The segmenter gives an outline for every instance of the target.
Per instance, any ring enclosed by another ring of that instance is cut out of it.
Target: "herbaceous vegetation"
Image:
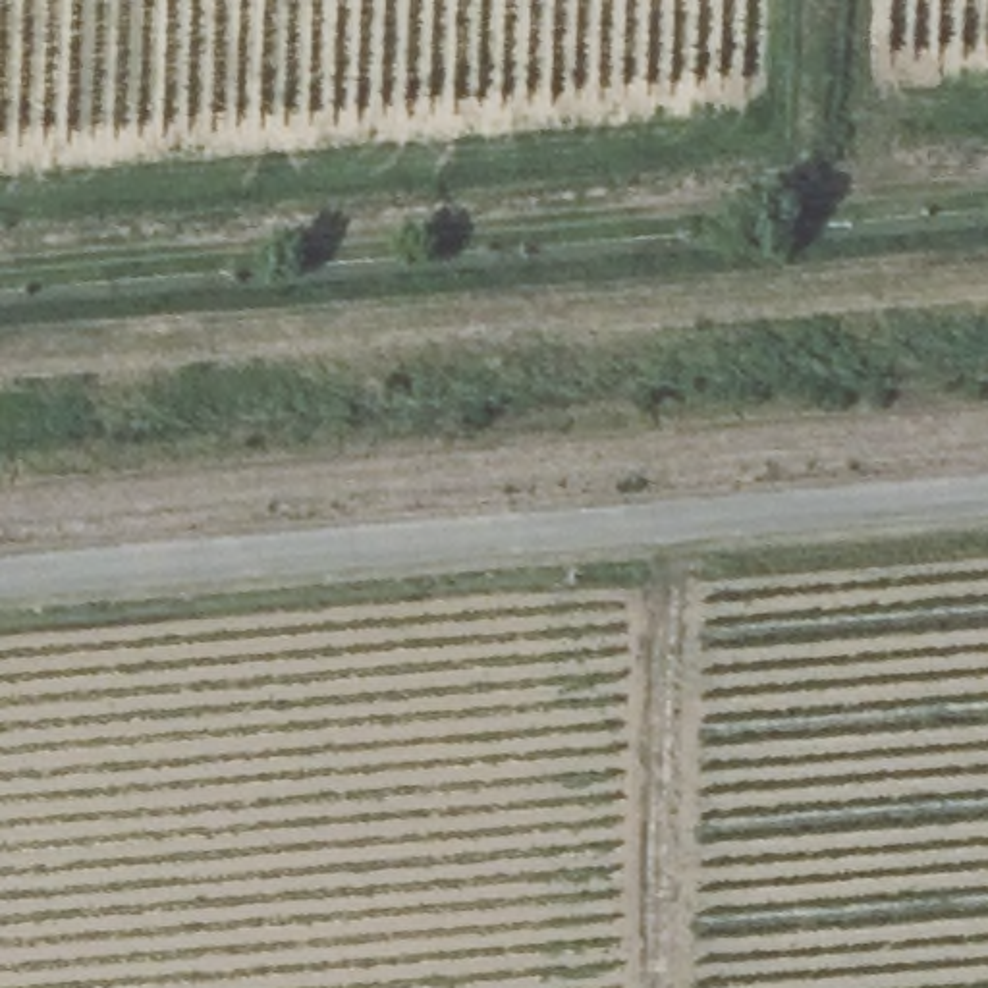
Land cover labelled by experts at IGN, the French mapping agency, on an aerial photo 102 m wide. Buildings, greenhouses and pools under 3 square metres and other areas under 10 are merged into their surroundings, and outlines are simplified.
[[[980,228],[961,228],[953,235],[834,235],[826,220],[899,220],[922,216],[930,208],[988,216],[988,69],[961,69],[957,77],[938,85],[876,85],[868,58],[868,23],[884,35],[892,31],[892,0],[772,0],[768,85],[745,108],[695,104],[691,116],[672,116],[656,108],[648,120],[629,124],[575,124],[509,135],[340,143],[313,151],[0,174],[0,390],[12,386],[12,378],[100,374],[104,382],[139,382],[151,371],[181,371],[193,363],[243,367],[255,359],[278,363],[301,355],[355,359],[386,347],[425,347],[459,340],[509,343],[517,332],[544,332],[552,343],[606,347],[621,336],[691,328],[695,320],[799,320],[884,309],[988,305],[988,220]],[[799,262],[783,266],[776,278],[760,270],[729,270],[729,259],[706,251],[699,212],[706,212],[722,197],[737,197],[741,189],[756,193],[760,185],[776,181],[783,181],[795,197],[791,243],[803,247]],[[409,247],[405,262],[390,262],[386,239],[394,239],[401,224],[428,224],[432,251],[421,243]],[[297,262],[289,270],[255,274],[251,259],[243,255],[247,243],[274,239],[274,232],[286,228],[301,228]]]
[[[807,409],[795,398],[776,398],[768,405],[718,417],[660,417],[664,401],[683,401],[683,390],[675,386],[652,386],[648,398],[633,405],[625,401],[625,382],[598,382],[579,394],[540,394],[544,409],[502,417],[494,421],[494,428],[463,444],[394,440],[378,448],[355,440],[343,444],[343,455],[336,448],[301,448],[193,463],[151,459],[135,475],[139,482],[85,482],[69,475],[0,471],[0,560],[31,552],[116,548],[189,536],[251,536],[332,525],[386,525],[413,517],[471,517],[502,509],[552,513],[648,498],[729,498],[764,494],[776,482],[849,486],[988,475],[988,382],[980,394],[984,401],[965,401],[957,394],[946,394],[938,382],[922,378],[903,382],[899,401],[892,409]]]

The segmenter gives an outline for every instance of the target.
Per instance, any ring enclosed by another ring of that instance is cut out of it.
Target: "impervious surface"
[[[776,482],[764,494],[729,498],[648,498],[552,513],[502,509],[471,517],[413,517],[386,525],[332,525],[251,536],[189,536],[116,548],[31,552],[0,560],[0,610],[46,610],[166,594],[193,598],[212,590],[274,590],[359,579],[413,579],[482,567],[645,560],[660,544],[679,540],[706,540],[710,552],[745,552],[776,544],[988,533],[988,475],[849,486]]]

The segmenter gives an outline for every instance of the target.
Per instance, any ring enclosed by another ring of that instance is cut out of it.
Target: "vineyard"
[[[892,0],[892,31],[884,35],[868,23],[868,58],[876,85],[938,85],[957,77],[961,69],[988,69],[988,0]]]
[[[645,560],[482,567],[413,579],[359,579],[274,590],[212,590],[193,598],[166,594],[46,610],[0,610],[0,988],[988,988],[988,533],[776,544],[745,552],[710,552],[706,540],[679,540],[660,544]]]
[[[656,108],[672,116],[691,116],[695,104],[745,108],[768,85],[772,0],[0,0],[0,174],[313,151],[340,143],[509,135],[575,124],[629,124],[648,120]]]

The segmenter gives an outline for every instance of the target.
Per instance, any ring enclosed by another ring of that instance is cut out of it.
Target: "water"
[[[899,220],[826,220],[834,235],[953,235],[961,228],[980,228],[988,220],[988,216],[930,208],[922,216]]]

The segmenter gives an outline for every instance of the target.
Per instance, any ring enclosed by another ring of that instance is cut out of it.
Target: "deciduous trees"
[[[957,394],[965,401],[984,401],[980,394],[988,382],[988,305],[884,309],[799,320],[695,320],[691,328],[621,336],[606,347],[552,343],[544,332],[517,332],[509,343],[459,340],[425,347],[386,347],[355,359],[301,355],[278,363],[255,359],[243,367],[193,363],[181,371],[151,371],[139,382],[104,382],[100,374],[12,378],[12,386],[0,390],[0,471],[69,475],[85,482],[139,482],[135,475],[151,459],[193,463],[301,448],[336,448],[343,455],[343,444],[355,440],[378,448],[394,440],[463,444],[494,428],[494,421],[502,417],[544,409],[540,394],[579,394],[598,382],[625,382],[625,401],[633,405],[648,398],[652,386],[675,386],[683,390],[683,401],[664,401],[660,417],[718,417],[768,405],[776,398],[795,398],[807,409],[892,409],[899,401],[903,382],[922,378],[938,382],[946,394]]]
[[[729,259],[729,270],[760,270],[776,278],[783,266],[799,262],[803,247],[791,243],[795,197],[783,181],[776,181],[760,185],[756,193],[741,189],[737,197],[722,197],[706,212],[699,212],[706,251]]]
[[[243,255],[251,259],[255,274],[289,270],[297,262],[301,228],[286,228],[274,232],[274,239],[247,243]]]
[[[409,247],[421,243],[432,251],[428,224],[401,224],[394,239],[386,239],[390,262],[405,262]]]

